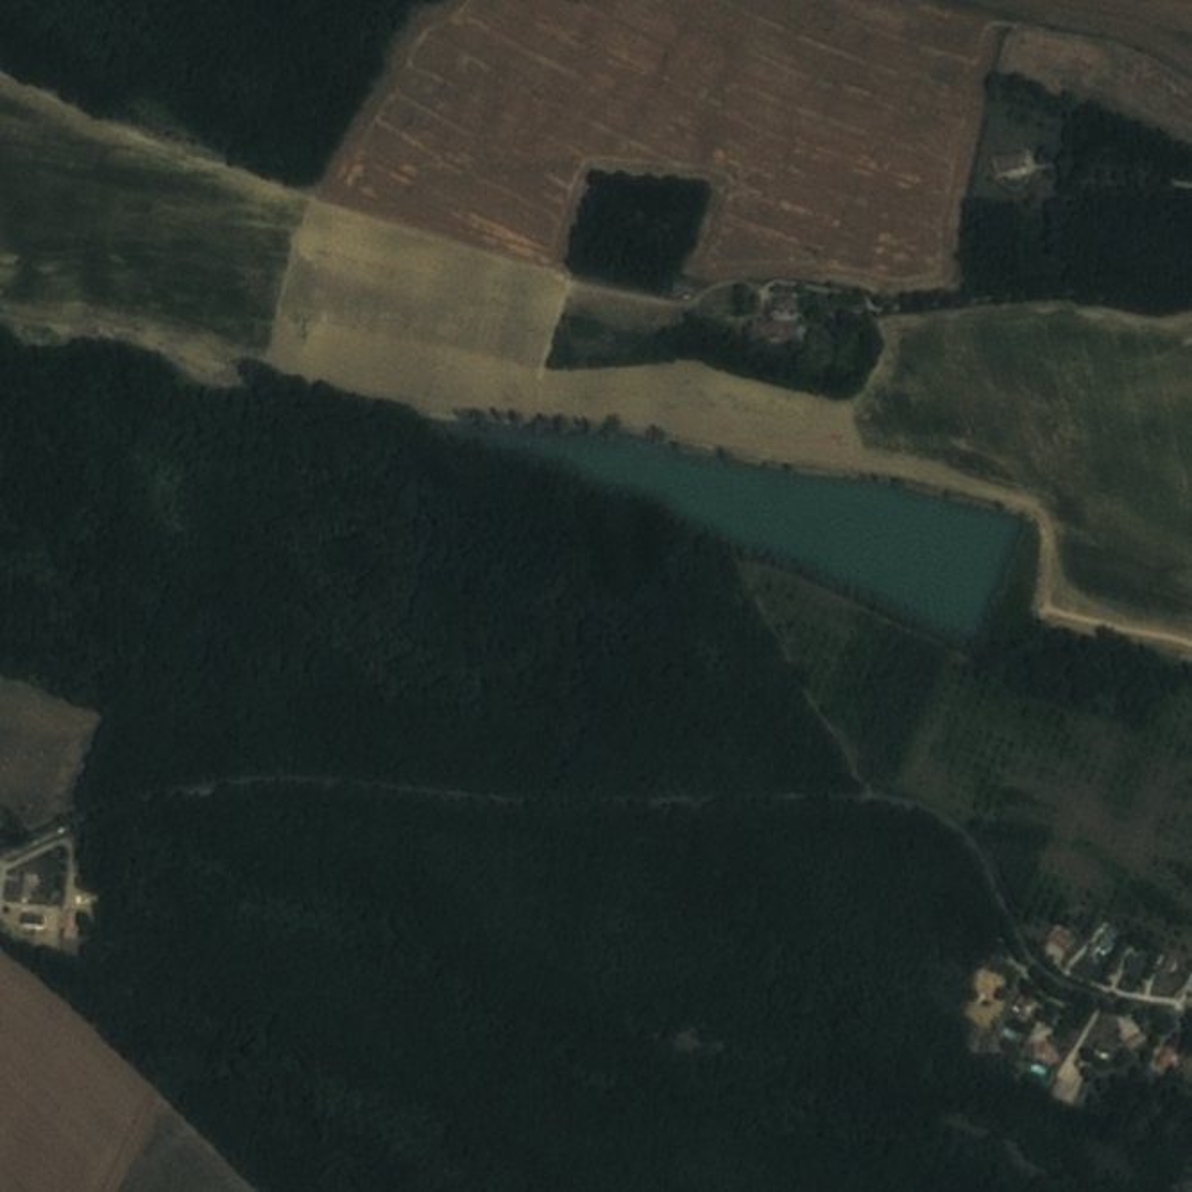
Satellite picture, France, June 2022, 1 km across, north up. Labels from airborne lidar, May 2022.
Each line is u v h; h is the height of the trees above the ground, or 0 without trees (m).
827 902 12
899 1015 15
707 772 14
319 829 11
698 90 0
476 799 11
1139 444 0
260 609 19
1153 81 0
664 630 20
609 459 0
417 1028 12
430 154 0
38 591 17
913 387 0
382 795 14
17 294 0
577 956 12
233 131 11
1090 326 0
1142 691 11
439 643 23
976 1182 21
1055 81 0
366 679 14
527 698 18
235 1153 8
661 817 16
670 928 11
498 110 0
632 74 0
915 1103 19
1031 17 0
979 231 14
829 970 17
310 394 15
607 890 12
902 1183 14
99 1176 0
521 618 19
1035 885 9
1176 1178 19
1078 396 0
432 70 0
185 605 21
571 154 0
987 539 0
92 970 13
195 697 12
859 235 0
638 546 12
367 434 21
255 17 16
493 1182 19
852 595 19
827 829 13
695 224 13
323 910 14
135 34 15
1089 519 0
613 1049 19
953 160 0
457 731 17
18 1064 0
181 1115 8
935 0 0
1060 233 19
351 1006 9
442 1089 14
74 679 13
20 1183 0
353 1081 14
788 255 0
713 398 0
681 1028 13
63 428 16
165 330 0
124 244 0
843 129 0
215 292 0
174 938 11
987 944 17
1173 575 0
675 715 15
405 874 12
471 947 14
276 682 14
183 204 0
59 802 0
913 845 16
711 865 18
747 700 17
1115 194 6
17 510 21
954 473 0
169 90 13
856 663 10
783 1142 12
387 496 20
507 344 0
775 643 14
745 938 14
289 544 16
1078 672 18
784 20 0
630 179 11
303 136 16
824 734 13
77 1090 0
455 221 0
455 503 24
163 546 13
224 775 11
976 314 0
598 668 24
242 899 17
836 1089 15
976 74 0
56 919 0
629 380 0
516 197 0
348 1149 17
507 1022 13
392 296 0
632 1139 10
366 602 24
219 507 14
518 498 24
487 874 10
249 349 0
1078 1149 14
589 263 8
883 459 0
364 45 16
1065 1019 15
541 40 0
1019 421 0
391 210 0
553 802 13
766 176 0
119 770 13
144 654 16
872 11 0
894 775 7
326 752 13
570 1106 14
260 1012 12
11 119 0
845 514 0
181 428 20
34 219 0
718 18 0
